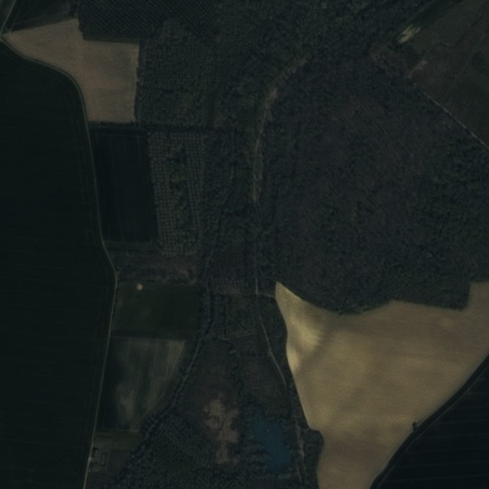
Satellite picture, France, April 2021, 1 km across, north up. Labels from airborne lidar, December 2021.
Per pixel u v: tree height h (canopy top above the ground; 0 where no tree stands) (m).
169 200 32
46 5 0
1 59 0
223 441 0
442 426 0
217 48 21
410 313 0
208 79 26
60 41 0
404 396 0
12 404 0
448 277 25
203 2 11
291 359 0
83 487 0
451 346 0
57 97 0
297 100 11
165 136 28
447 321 0
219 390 7
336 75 21
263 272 22
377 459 0
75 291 0
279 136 10
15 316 0
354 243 25
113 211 0
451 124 20
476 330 0
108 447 0
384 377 0
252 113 24
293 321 0
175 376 0
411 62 7
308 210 22
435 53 0
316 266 24
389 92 22
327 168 20
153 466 26
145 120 17
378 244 28
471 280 13
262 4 26
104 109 0
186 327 0
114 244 0
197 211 28
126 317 0
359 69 21
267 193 20
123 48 0
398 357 0
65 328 0
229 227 15
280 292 0
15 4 0
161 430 29
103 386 0
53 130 0
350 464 0
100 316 0
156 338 0
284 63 14
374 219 28
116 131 0
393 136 26
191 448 29
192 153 31
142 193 0
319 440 9
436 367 0
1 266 0
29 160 0
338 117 23
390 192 25
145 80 26
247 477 6
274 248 11
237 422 6
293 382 13
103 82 0
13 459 0
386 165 25
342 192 24
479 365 0
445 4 0
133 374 0
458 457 0
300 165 20
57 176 0
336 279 26
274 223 15
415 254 21
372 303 18
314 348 0
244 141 22
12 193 0
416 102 24
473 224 24
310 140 16
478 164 15
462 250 23
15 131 0
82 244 0
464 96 0
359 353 0
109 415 0
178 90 28
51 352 0
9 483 0
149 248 0
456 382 0
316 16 36
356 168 26
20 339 0
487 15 0
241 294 28
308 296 20
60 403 0
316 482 7
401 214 26
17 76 0
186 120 26
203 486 24
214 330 26
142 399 0
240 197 8
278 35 13
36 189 0
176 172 28
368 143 22
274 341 13
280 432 0
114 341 0
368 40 12
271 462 0
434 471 0
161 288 0
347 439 0
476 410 0
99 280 0
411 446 0
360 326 0
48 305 0
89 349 0
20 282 0
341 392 0
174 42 27
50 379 0
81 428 0
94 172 0
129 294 0
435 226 18
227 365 7
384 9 28
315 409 0
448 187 21
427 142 26
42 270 0
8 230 0
